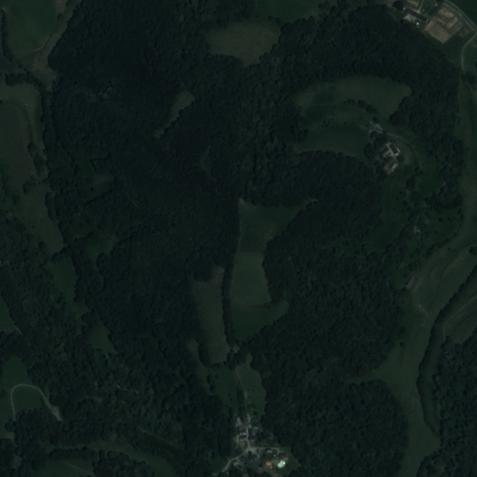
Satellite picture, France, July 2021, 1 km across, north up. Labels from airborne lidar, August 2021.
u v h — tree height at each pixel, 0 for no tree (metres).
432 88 17
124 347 32
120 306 23
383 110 0
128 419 21
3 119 0
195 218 19
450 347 18
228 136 11
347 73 19
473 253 19
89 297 17
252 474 16
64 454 23
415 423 0
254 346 24
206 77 20
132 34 18
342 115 0
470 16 0
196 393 27
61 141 25
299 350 20
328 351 26
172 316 24
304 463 23
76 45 15
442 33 0
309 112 0
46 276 13
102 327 0
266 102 12
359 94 0
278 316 0
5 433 0
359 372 27
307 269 15
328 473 17
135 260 15
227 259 20
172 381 29
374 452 27
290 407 25
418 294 0
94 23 29
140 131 19
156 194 17
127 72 20
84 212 19
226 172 16
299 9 0
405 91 0
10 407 0
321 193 21
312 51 26
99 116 19
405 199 10
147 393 15
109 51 20
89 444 23
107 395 23
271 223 0
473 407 14
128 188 18
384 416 22
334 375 25
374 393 28
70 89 20
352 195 19
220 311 0
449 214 0
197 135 18
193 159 12
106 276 22
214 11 25
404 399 0
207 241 17
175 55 25
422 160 0
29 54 0
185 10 22
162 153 14
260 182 28
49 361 13
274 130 10
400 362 0
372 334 26
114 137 15
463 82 13
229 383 0
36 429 18
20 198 10
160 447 11
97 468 14
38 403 0
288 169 25
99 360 16
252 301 0
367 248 22
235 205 18
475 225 0
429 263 0
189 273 19
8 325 0
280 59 22
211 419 16
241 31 0
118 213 26
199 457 16
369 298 25
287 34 22
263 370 14
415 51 22
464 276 0
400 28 24
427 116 7
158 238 20
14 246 22
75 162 16
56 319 27
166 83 15
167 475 0
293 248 25
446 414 20
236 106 15
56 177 23
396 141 8
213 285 0
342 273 28
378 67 23
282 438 23
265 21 0
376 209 11
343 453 29
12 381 0
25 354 23
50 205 24
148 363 33
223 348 0
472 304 0
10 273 19
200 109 16
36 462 19
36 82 19
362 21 18
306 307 24
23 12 0
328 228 24
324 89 0
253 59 0
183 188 15
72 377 29
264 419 17
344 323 23
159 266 20
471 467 22
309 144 0
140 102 18
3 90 0
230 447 15
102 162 23
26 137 0
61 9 0
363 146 0
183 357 24
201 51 25
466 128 0
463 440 18
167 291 19
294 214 0
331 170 21
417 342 0
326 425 30
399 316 23
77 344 25
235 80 27
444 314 16
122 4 18
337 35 25
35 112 0
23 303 18
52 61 18
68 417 21
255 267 0
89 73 18
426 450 0
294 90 26
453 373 20
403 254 21
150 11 24
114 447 0
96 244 0
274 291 14
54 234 0
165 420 28
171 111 18
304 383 27
